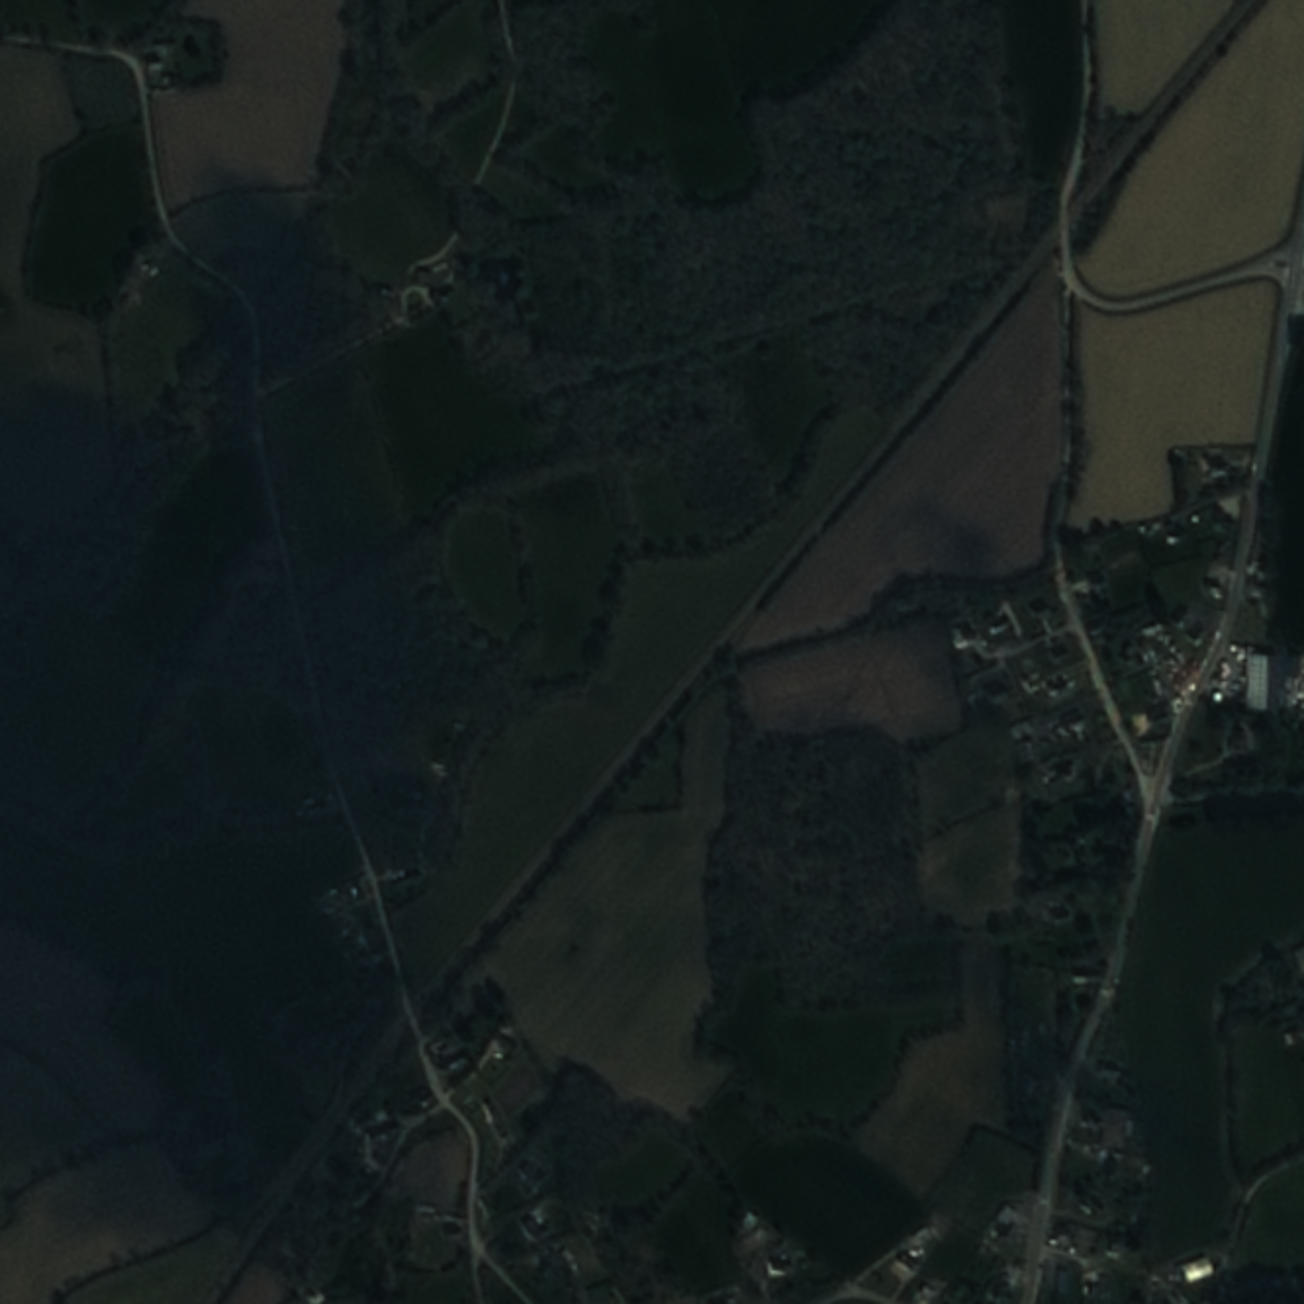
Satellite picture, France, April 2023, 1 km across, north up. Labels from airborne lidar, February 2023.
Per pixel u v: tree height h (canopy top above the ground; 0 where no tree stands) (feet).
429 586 43
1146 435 0
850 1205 0
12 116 0
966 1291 22
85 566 34
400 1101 0
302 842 0
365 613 38
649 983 0
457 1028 28
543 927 0
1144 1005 0
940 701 0
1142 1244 46
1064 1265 24
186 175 0
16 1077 0
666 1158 0
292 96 0
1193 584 0
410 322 31
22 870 0
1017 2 0
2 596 58
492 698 65
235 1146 37
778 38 0
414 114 83
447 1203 0
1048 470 0
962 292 30
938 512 0
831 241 39
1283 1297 87
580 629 0
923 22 56
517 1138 0
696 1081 0
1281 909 0
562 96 25
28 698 0
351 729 60
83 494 0
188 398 31
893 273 47
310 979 0
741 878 45
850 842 31
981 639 0
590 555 0
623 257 30
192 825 51
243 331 26
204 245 0
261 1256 32
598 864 0
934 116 64
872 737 36
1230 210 0
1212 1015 0
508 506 30
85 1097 0
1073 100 0
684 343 33
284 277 43
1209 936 0
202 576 0
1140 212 0
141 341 0
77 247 0
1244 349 0
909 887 55
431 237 0
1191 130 0
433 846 53
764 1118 42
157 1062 0
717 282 33
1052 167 0
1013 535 0
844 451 0
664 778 0
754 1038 0
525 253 20
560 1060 0
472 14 0
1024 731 0
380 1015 52
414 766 0
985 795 0
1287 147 0
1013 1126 30
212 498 0
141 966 0
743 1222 51
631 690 0
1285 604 0
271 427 38
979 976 0
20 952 0
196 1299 0
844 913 38
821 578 0
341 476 0
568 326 38
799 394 0
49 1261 0
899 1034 0
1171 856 0
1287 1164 31
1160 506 0
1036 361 0
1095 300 0
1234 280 0
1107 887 61
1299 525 0
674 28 0
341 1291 26
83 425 0
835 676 0
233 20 0
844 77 63
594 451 56
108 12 0
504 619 0
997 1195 0
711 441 54
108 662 0
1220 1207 0
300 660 66
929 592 35
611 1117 64
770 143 55
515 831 0
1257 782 35
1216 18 0
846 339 36
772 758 47
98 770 0
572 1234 30
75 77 21
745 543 41
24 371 0
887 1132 0
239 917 0
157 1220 0
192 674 55
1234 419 0
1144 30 0
